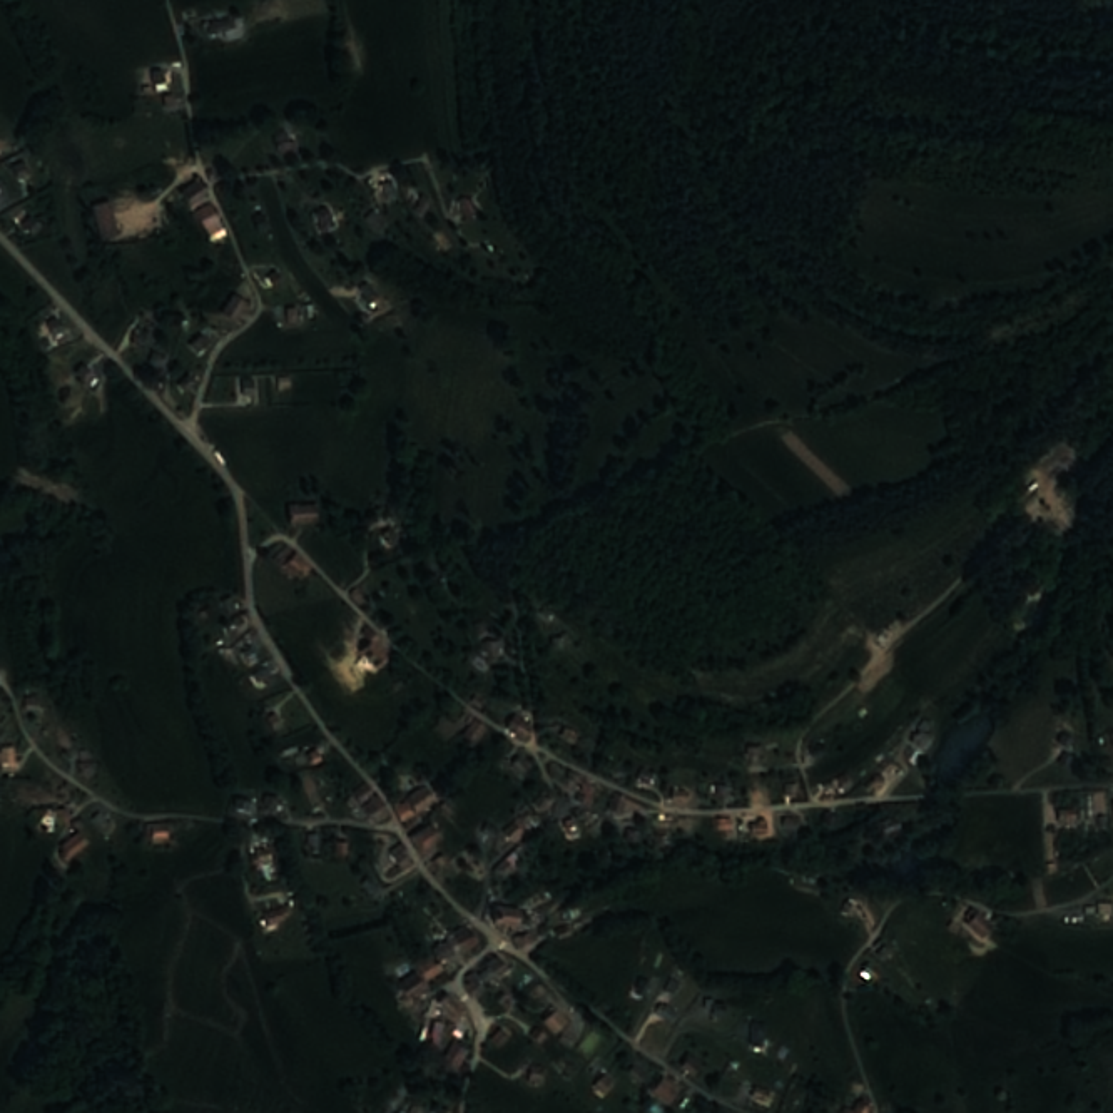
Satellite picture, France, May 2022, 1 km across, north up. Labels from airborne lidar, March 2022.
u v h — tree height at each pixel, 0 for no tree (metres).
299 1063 0
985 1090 0
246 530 0
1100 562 24
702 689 0
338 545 0
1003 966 0
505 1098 0
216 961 0
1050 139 9
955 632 0
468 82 9
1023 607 18
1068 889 0
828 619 0
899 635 0
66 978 25
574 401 20
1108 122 22
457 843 0
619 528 16
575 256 12
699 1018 0
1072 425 23
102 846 0
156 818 0
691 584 15
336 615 0
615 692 13
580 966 0
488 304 11
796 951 0
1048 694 0
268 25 0
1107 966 0
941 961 0
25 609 6
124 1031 15
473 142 9
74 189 0
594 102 17
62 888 8
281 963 0
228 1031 0
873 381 0
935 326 8
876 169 17
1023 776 0
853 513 18
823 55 20
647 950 0
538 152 24
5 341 23
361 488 0
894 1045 0
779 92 16
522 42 18
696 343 0
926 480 14
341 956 12
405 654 15
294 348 0
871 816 15
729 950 0
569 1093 0
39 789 0
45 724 0
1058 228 0
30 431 21
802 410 0
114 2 0
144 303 0
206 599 8
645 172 9
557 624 0
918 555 0
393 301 0
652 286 18
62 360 0
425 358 0
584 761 11
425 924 0
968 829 0
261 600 0
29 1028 0
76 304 0
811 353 0
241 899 0
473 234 0
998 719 23
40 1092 23
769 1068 0
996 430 17
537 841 13
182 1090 0
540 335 0
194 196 0
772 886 0
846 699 0
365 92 0
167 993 0
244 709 0
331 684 0
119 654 0
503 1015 0
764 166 17
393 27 0
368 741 0
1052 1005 0
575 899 19
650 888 12
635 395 0
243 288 0
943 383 15
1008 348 8
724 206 16
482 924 0
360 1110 7
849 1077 0
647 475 19
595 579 16
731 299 25
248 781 0
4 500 21
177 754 0
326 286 0
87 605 0
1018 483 22
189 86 0
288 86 0
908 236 0
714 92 13
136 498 0
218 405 0
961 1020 0
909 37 21
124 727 0
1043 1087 0
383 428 0
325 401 0
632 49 15
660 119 13
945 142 19
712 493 18
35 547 19
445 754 0
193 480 0
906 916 0
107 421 0
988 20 23
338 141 0
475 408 0
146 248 0
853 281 15
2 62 0
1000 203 0
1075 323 9
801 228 21
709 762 0
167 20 0
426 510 14
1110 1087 0
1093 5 0
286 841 19
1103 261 8
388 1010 0
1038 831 0
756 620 20
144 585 0
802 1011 0
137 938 0
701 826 0
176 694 0
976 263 0
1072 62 12
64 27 0
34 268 0
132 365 0
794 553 24
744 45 14
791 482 0
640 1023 0
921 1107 0
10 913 0
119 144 0
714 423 20
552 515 17
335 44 11
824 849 7
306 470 0
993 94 22
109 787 0
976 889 20
